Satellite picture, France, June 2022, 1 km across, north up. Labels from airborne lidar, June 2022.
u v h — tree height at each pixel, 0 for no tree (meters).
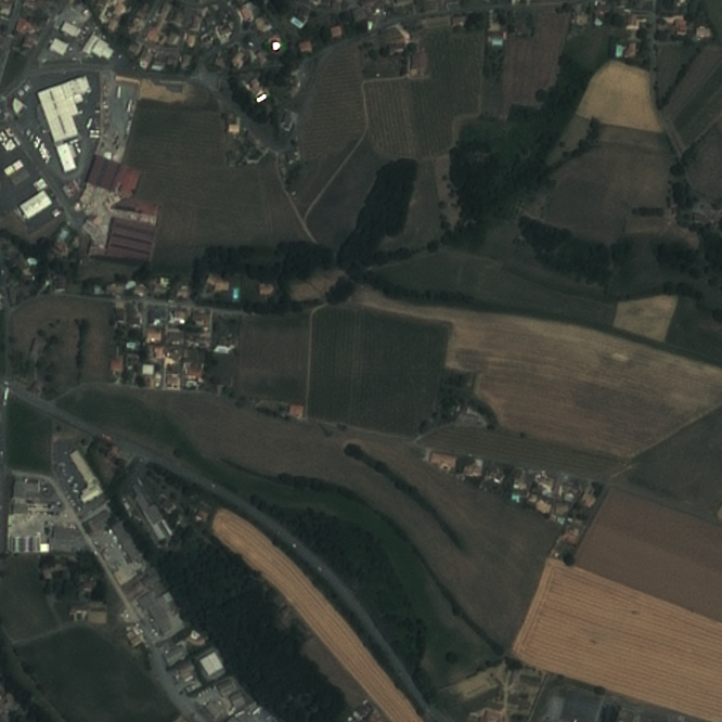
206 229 0
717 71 0
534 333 0
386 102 0
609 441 0
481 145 10
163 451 0
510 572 0
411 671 0
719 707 0
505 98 0
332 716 24
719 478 0
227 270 17
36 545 0
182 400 0
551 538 0
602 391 0
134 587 0
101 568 10
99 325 0
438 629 0
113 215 0
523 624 0
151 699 0
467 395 0
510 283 0
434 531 0
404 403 0
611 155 0
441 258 0
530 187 9
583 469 0
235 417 0
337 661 0
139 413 0
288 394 0
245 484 0
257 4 18
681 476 0
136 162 0
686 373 0
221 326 7
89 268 0
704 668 0
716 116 0
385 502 0
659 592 0
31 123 0
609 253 15
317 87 0
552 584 0
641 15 0
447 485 0
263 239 0
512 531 0
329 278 0
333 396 0
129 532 10
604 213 0
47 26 0
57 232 5
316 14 8
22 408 0
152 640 0
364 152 0
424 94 0
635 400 0
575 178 0
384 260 17
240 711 0
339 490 10
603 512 0
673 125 0
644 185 0
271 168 0
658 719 0
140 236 0
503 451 0
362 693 0
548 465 0
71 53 0
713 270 11
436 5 0
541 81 0
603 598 0
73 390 0
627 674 0
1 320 0
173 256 0
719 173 0
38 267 12
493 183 8
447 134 0
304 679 15
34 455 0
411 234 0
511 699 0
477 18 7
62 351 0
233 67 13
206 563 8
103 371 0
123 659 0
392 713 0
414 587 0
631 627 0
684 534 0
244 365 0
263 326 0
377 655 11
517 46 0
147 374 0
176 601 10
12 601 0
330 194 0
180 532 8
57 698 0
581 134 0
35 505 0
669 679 0
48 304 0
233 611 17
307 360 0
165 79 0
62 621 0
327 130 0
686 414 0
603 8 0
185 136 0
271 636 19
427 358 0
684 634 0
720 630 0
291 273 16
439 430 0
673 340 0
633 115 0
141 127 0
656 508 0
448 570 0
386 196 16
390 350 0
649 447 0
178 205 0
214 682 7
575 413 0
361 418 0
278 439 0
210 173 0
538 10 0
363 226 14
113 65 0
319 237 0
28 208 0
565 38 0
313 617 0
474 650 0
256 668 17
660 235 0
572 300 0
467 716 0
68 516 0
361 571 10
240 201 0
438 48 0
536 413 0
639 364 0
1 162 0
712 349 0
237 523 0
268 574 0
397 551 0
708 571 0
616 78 0
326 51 0
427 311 0
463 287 0
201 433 0
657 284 0
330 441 0
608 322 0
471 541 0
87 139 0
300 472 0
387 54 12
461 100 0
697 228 12
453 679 0
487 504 0
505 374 0
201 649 6
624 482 0
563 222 0
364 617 0
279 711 24
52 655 0
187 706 0
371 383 0
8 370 0
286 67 11
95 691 0
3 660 23
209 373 10
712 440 0
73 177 0
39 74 0
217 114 0
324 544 14
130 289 5
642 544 0
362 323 0
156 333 0
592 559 0
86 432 0
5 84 0
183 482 6
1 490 0
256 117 7
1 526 0
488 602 0
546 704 0
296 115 0
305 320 0
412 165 15
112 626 0
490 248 0
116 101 0
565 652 0
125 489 0
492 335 0
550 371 0
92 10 5
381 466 13
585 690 0
